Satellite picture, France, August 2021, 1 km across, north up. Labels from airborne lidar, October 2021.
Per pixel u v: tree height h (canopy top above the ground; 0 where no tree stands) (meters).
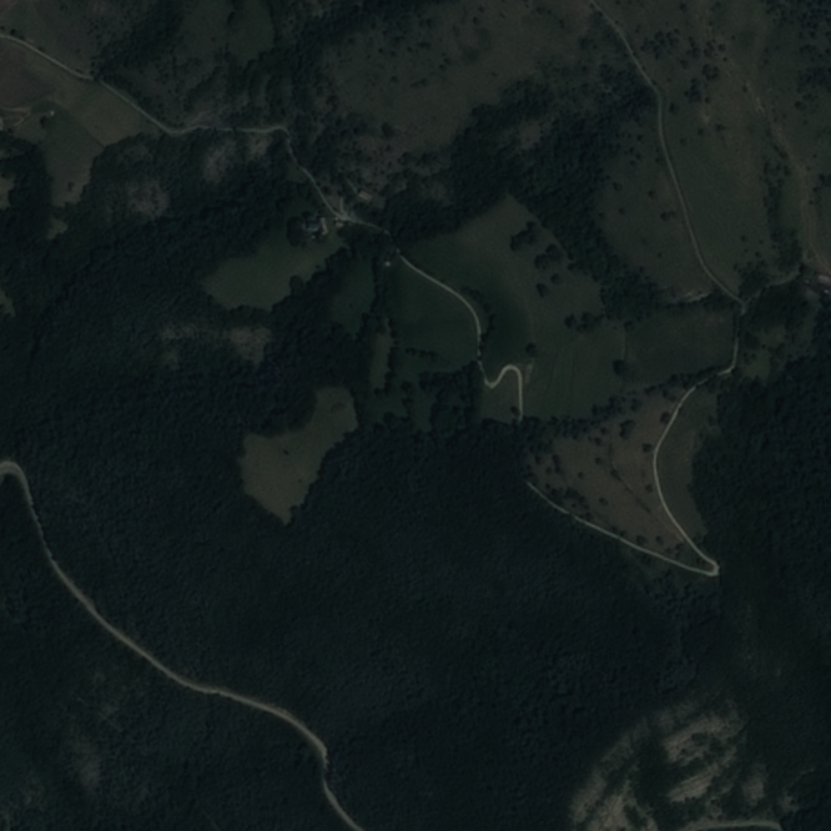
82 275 21
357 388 20
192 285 14
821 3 12
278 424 28
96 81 10
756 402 16
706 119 0
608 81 10
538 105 9
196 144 13
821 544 18
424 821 14
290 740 13
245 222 29
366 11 13
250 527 16
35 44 0
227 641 10
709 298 8
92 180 8
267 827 13
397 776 13
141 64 11
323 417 0
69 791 21
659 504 0
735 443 10
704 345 0
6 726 15
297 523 14
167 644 14
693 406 0
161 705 11
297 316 28
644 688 18
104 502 12
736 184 0
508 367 0
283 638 17
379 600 11
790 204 0
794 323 7
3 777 12
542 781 12
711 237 0
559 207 15
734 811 7
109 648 8
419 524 18
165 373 13
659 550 0
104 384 22
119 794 10
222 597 12
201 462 22
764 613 15
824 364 13
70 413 23
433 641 11
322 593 15
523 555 14
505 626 13
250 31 0
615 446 0
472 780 16
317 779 14
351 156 8
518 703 21
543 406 0
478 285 0
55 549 15
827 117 0
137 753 12
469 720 18
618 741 6
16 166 18
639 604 15
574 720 23
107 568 14
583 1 0
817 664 22
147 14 7
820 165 0
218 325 12
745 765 8
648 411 0
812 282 0
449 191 6
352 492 16
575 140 15
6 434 11
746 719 6
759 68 0
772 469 15
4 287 12
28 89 0
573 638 18
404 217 11
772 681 10
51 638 16
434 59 0
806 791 13
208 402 20
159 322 10
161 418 20
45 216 11
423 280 0
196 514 15
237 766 18
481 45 0
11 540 21
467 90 0
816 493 19
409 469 17
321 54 8
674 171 0
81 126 0
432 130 0
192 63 6
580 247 13
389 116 0
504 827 14
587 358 0
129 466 12
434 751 14
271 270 0
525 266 0
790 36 0
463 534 15
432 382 8
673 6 0
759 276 7
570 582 15
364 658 15
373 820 14
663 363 0
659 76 0
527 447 11
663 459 0
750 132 0
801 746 10
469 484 16
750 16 0
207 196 12
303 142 10
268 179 7
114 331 13
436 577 14
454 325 0
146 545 14
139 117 0
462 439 20
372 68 0
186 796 18
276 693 10
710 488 13
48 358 15
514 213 0
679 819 9
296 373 29
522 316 0
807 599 18
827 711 21
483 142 11
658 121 0
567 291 0
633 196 0
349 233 7
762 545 24
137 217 10
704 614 12
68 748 7
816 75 9
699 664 13
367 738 18
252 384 19
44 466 10
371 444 20
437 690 17
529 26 0
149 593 12
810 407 9
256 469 0
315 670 11
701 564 6
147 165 11
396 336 14
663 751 8
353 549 15
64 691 18
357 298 0
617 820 0
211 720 11
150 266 16
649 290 7
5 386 16
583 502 9
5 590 26
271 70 17
